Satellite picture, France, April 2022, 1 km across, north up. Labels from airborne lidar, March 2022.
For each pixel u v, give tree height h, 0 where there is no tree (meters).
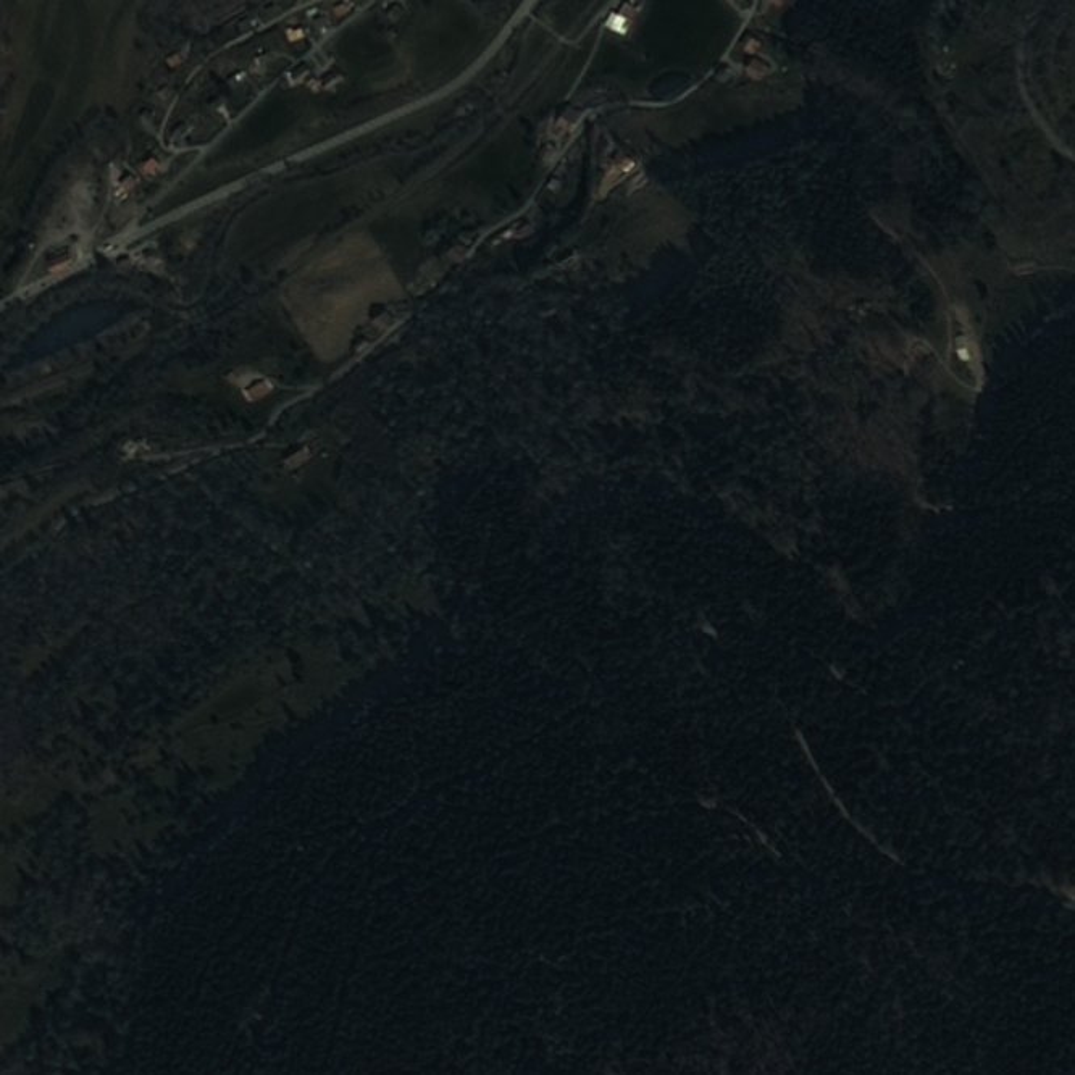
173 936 22
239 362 0
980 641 22
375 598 13
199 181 0
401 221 0
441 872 22
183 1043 22
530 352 15
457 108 8
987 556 19
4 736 16
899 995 30
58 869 19
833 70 28
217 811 14
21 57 0
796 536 10
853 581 20
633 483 22
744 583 29
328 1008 22
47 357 12
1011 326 0
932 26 20
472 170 0
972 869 27
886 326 19
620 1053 13
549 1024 19
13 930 19
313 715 0
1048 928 22
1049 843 13
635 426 9
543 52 0
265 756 0
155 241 0
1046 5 15
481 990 24
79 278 8
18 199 0
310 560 23
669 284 11
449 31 0
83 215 0
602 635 28
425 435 24
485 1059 12
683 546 15
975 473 24
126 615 15
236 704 0
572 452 26
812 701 26
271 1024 20
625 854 17
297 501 0
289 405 0
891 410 26
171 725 8
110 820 0
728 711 27
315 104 0
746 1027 27
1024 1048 26
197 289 16
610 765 15
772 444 26
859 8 30
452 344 13
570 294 9
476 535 26
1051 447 16
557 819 22
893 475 28
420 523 15
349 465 7
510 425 23
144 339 0
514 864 27
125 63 0
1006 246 0
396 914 24
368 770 26
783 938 27
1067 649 28
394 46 0
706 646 26
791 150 28
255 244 0
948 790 9
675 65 0
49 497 7
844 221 34
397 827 24
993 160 9
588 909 23
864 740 25
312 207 0
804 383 14
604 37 0
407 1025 23
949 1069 30
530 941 23
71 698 15
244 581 8
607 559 26
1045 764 21
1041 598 16
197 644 10
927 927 31
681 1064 16
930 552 19
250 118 0
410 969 23
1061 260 20
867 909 29
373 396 9
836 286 0
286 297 0
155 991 23
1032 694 32
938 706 28
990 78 10
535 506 25
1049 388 22
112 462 8
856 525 41
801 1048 30
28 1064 11
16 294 0
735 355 26
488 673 27
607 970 20
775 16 0
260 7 8
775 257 28
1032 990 28
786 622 30
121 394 16
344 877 23
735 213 25
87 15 0
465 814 27
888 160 33
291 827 23
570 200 0
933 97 7
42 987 0
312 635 12
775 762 15
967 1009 26
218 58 10
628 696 25
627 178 0
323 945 12
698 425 8
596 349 12
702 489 19
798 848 25
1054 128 13
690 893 12
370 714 19
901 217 21
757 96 0
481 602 18
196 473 10
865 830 17
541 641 24
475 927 20
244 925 26
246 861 26
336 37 0
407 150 9
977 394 0
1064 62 7
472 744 30
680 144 0
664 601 20
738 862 10
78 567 8
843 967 20
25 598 18
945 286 0
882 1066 23
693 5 0
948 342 0
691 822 14
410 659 20
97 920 19
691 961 22
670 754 18
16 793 12
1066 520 18
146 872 20
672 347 23
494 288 9
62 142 0
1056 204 14
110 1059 7
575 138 0
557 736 26
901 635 29
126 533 11
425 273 0
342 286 0
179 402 9
